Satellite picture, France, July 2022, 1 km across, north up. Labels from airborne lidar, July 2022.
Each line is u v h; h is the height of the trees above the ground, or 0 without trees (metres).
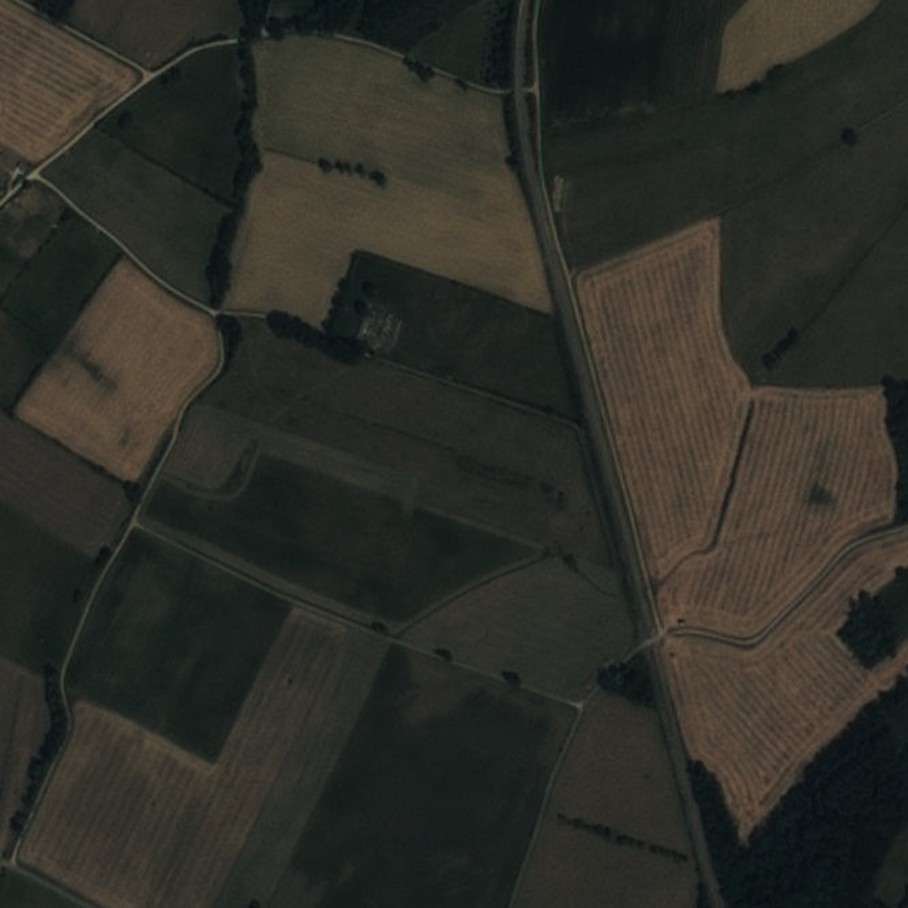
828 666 0
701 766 14
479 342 0
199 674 0
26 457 0
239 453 0
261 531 0
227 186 0
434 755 0
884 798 26
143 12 0
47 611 0
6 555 0
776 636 0
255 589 0
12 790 0
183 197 0
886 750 33
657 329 0
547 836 0
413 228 0
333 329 16
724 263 0
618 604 0
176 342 0
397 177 0
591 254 0
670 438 0
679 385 0
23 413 0
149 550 0
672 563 0
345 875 0
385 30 12
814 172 0
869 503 0
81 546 0
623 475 0
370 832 0
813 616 0
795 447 0
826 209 0
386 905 0
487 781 0
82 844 0
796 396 0
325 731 0
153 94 0
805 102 0
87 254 0
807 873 30
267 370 0
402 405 0
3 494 0
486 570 0
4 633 0
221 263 21
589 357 0
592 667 0
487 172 0
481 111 0
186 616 0
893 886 0
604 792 0
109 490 0
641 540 0
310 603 0
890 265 0
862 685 0
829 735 0
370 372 0
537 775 0
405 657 0
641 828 0
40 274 0
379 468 0
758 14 0
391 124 0
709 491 0
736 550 0
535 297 0
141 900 0
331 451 0
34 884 0
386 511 0
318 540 0
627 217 0
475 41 0
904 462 8
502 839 0
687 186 0
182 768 0
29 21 0
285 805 0
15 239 0
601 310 0
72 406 0
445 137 0
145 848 0
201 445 0
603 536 0
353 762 0
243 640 0
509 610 0
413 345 0
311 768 0
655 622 0
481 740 0
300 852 0
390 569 0
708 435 0
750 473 0
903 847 0
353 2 18
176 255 0
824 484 0
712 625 0
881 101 0
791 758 0
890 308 0
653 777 0
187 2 0
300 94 0
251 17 18
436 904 0
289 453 0
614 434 0
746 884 12
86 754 0
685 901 0
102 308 0
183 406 0
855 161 0
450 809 0
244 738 0
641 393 0
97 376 0
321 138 0
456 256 0
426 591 0
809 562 0
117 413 0
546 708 0
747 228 0
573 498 0
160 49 0
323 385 0
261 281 0
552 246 0
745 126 0
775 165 0
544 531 0
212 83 0
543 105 0
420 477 0
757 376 0
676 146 0
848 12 0
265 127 0
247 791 0
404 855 0
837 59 0
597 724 0
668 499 0
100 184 0
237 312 0
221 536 0
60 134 0
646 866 0
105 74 0
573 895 0
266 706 0
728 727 0
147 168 0
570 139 0
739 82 0
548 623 0
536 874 0
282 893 0
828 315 0
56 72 0
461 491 0
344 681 0
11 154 0
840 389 0
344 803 0
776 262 0
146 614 0
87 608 0
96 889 0
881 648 15
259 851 0
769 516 0
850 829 24
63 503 0
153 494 0
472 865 0
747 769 0
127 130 8
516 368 0
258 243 0
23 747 0
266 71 0
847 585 0
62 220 8
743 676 0
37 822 0
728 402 0
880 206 0
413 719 0
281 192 0
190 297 0
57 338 0
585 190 0
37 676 0
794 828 23
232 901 0
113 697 0
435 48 0
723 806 8
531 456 0
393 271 0
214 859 0
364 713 0
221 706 0
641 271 0
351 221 0
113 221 0
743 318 0
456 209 0
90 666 0
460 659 0
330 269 0
